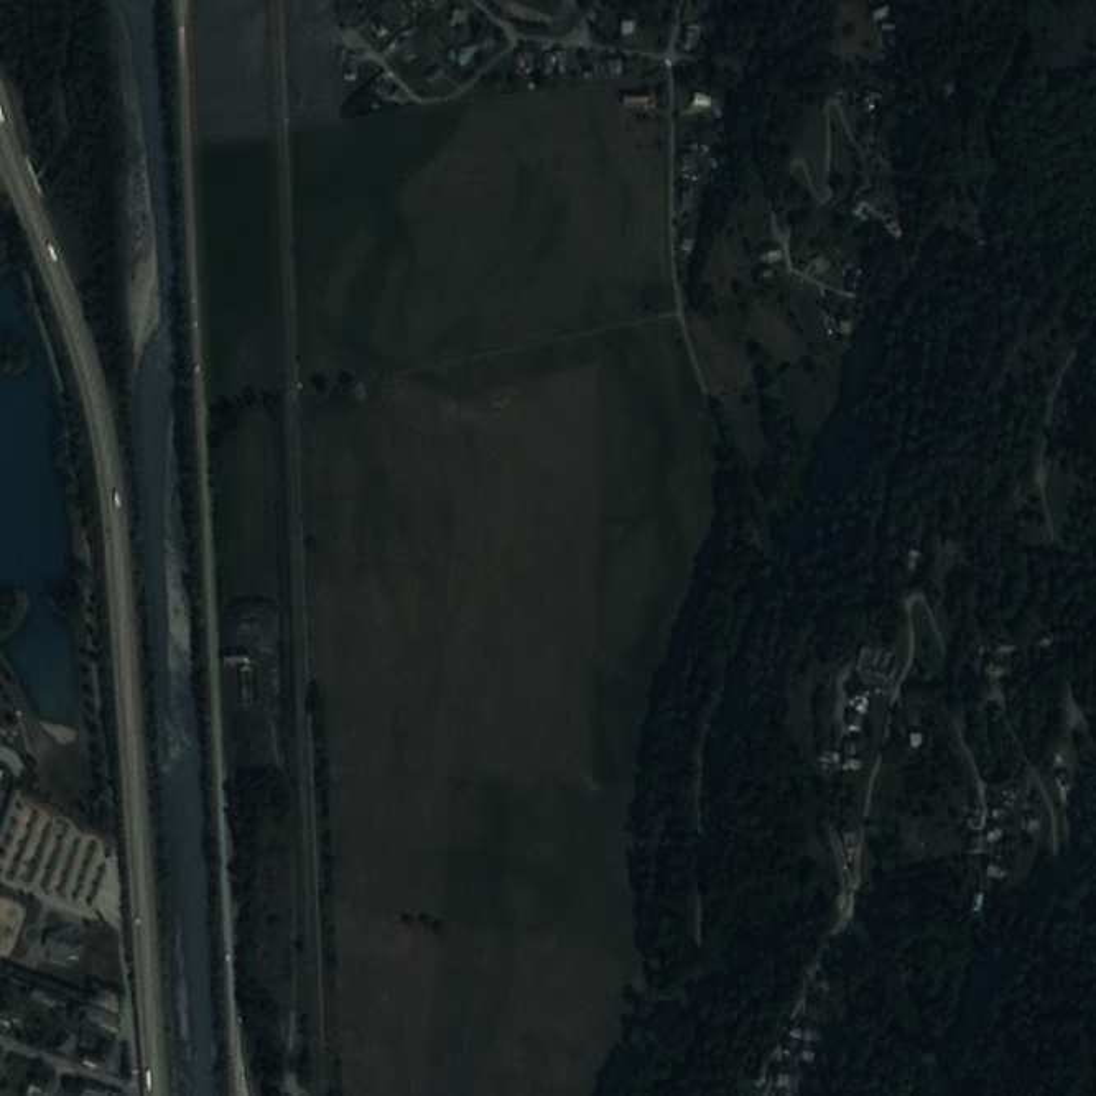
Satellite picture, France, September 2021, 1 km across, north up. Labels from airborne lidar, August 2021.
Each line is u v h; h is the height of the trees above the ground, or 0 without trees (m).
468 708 0
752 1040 13
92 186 15
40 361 0
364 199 0
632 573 0
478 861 0
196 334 0
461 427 0
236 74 0
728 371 0
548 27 9
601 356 0
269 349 0
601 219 0
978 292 21
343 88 0
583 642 0
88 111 16
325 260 0
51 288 0
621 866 0
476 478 0
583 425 0
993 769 12
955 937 25
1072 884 23
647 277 0
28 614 0
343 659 0
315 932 0
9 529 0
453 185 0
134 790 0
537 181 0
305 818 0
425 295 0
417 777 0
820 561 32
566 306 0
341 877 0
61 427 28
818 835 6
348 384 13
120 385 13
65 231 0
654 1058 33
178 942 0
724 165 7
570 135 0
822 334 0
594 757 0
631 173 0
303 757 0
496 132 0
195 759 0
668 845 24
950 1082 28
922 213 28
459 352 0
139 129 0
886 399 36
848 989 19
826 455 0
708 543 0
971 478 19
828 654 13
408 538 0
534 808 0
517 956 0
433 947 0
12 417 0
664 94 8
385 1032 0
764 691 13
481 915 0
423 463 0
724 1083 6
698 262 11
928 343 15
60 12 24
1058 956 22
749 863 22
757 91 20
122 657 0
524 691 0
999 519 17
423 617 0
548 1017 0
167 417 0
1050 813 0
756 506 0
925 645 6
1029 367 7
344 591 0
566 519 0
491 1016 0
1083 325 7
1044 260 27
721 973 0
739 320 0
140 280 0
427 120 0
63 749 0
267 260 0
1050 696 20
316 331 0
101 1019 0
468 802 0
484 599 0
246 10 0
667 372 0
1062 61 0
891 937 29
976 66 25
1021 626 22
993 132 19
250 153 0
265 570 0
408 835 0
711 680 28
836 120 0
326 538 0
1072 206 16
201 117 0
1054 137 21
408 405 0
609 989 0
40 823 0
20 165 0
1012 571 19
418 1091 0
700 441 0
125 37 0
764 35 20
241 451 0
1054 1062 32
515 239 0
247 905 10
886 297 15
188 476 14
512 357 0
